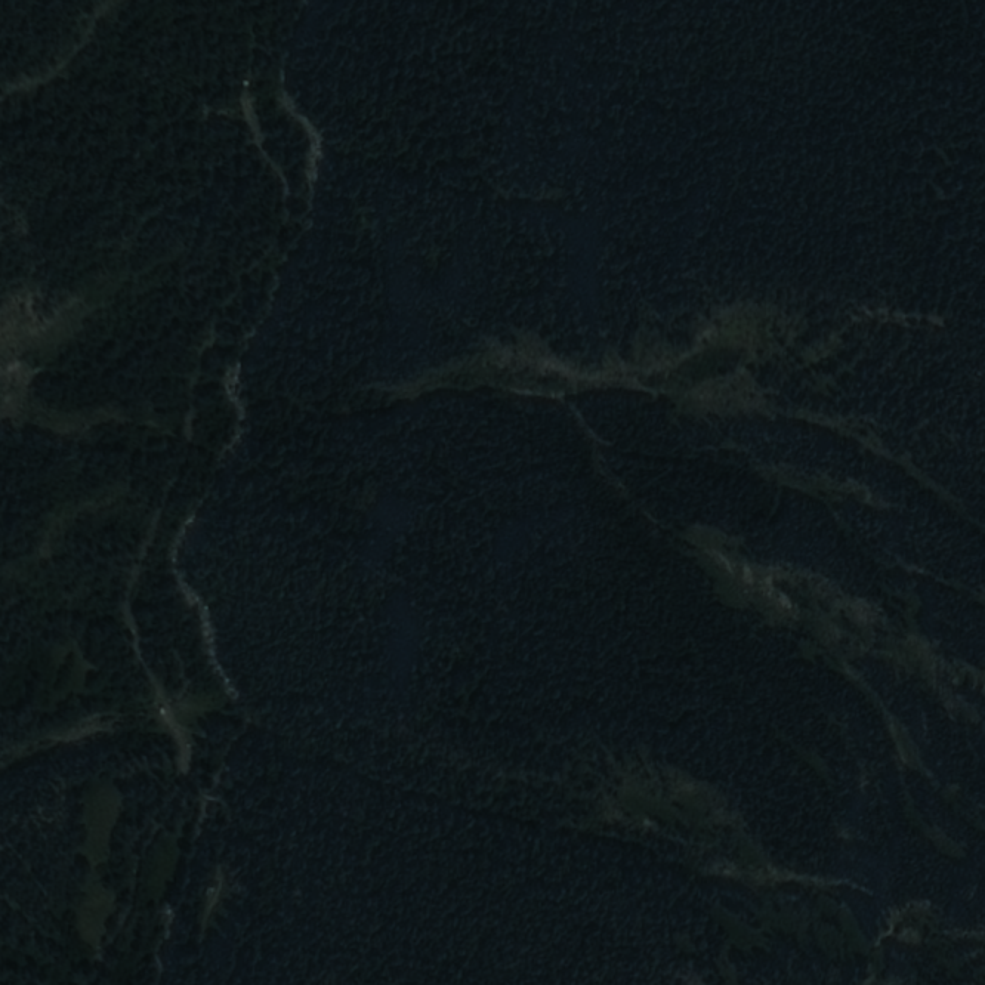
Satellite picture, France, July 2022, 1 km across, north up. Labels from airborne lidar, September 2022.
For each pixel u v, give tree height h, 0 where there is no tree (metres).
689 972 7
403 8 27
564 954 23
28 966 12
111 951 23
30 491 22
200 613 10
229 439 19
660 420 19
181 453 25
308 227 16
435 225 23
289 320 35
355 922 10
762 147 25
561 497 19
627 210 37
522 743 16
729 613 10
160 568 8
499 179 23
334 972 9
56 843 31
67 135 36
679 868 17
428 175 41
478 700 16
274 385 24
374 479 11
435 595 17
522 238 22
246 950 31
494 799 19
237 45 26
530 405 12
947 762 11
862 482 13
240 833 9
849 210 25
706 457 15
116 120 34
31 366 12
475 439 30
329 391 29
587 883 11
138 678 28
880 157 23
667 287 22
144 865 7
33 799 29
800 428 10
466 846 18
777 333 12
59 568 7
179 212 39
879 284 10
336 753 29
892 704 12
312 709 25
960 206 16
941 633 7
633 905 12
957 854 0
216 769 17
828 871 7
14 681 10
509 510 16
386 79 32
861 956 0
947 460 12
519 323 19
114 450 25
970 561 13
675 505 18
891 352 26
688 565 9
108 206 18
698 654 8
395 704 22
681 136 36
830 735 12
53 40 18
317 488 8
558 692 27
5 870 27
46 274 14
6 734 33
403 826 13
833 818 7
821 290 15
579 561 16
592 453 10
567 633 16
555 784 7
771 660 11
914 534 15
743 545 0
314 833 19
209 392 26
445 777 19
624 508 17
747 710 16
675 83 42
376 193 31
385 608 12
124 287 10
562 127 16
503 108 26
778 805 14
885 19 13
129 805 8
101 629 37
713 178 27
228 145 39
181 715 0
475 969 17
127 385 27
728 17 22
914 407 25
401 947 12
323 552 18
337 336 35
